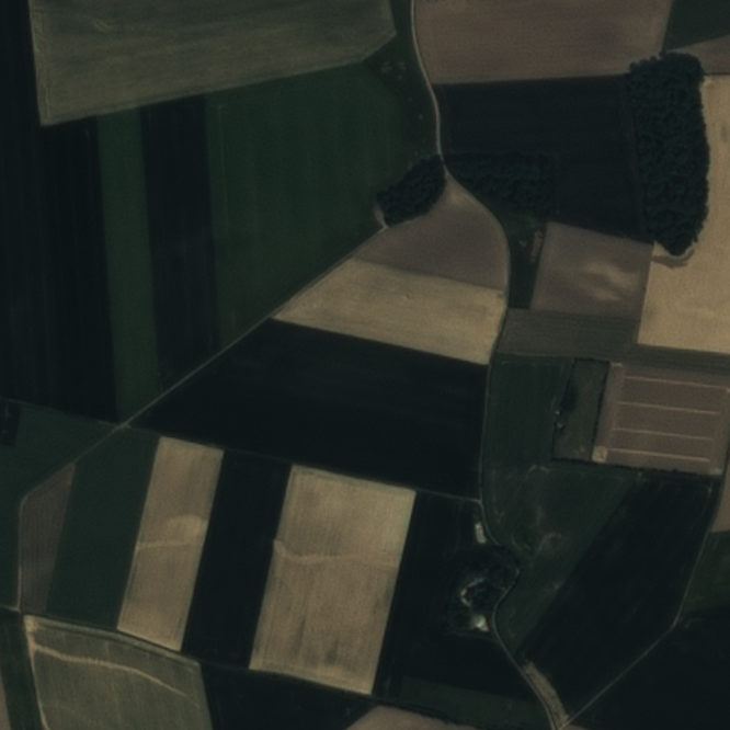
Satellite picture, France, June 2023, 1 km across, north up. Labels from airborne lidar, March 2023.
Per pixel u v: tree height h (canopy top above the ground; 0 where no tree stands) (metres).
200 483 0
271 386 0
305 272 0
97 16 0
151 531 0
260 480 0
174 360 0
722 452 0
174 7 0
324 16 0
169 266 0
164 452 0
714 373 0
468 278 0
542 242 0
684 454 0
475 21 0
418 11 0
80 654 0
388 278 0
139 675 0
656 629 0
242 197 0
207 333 0
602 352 0
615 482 0
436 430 0
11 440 0
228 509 0
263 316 0
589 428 0
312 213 0
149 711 0
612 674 0
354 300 0
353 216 0
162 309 0
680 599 0
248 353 0
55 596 0
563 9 0
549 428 0
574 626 0
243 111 0
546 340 0
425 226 0
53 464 0
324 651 0
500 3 0
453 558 0
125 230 0
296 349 0
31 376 0
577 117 0
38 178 0
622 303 0
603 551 0
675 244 17
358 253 0
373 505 0
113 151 0
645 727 0
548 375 0
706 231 0
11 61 0
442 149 0
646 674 0
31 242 0
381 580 0
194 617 0
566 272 0
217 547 0
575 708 0
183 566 0
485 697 0
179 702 0
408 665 0
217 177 0
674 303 0
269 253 0
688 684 0
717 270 0
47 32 0
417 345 0
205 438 0
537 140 0
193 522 0
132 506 0
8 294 0
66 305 0
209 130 0
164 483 0
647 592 0
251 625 0
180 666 0
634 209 0
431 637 0
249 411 0
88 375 0
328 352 0
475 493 0
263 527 0
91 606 0
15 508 0
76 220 0
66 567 0
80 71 0
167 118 0
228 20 0
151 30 0
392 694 0
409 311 0
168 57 0
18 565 0
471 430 0
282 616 0
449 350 0
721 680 0
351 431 0
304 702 0
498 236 0
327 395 0
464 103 0
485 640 0
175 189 0
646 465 0
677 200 21
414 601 0
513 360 0
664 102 17
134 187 0
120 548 0
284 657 0
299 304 0
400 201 15
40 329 0
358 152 0
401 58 0
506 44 0
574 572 0
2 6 0
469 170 19
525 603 0
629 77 12
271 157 0
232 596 0
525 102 0
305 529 0
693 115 19
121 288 0
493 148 0
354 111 0
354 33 0
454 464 0
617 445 0
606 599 0
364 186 0
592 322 0
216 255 0
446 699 0
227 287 0
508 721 0
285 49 0
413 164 0
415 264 0
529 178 22
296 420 0
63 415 0
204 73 0
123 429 0
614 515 0
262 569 0
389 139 0
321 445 0
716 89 0
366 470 0
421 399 0
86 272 0
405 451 0
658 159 18
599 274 0
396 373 0
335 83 0
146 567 0
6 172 0
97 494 0
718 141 0
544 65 0
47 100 0
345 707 0
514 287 0
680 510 0
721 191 0
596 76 0
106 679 0
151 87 0
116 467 0
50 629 0
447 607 11
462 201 0
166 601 0
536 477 0
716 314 0
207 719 0
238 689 0
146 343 0
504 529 0
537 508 0
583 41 0
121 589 0
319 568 0
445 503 0
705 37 0
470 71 0
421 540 0
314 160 0
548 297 0
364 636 0
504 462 0
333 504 0
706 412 0
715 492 0
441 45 0
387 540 0
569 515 0
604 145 0
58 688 0
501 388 0
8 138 0
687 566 0
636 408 0
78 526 0
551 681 0
